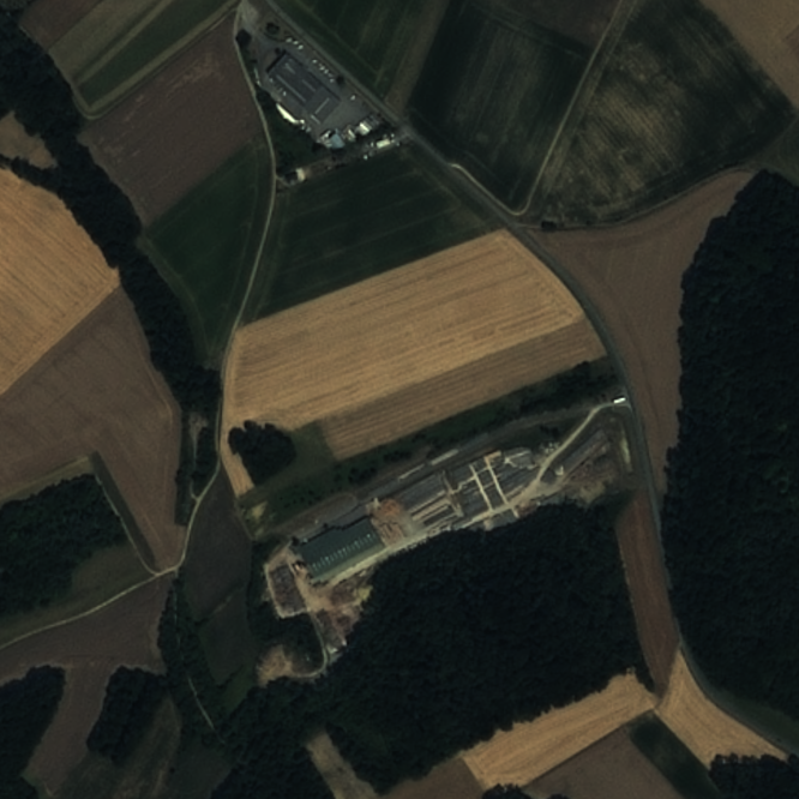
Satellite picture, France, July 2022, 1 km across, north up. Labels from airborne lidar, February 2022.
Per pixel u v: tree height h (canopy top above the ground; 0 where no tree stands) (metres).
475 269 0
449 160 0
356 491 0
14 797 10
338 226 0
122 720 11
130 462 0
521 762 0
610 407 0
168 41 0
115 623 0
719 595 16
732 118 0
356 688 17
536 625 29
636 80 0
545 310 0
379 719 15
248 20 0
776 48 0
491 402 0
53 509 16
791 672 22
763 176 13
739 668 24
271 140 0
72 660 0
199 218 0
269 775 20
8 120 0
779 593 19
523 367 0
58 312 0
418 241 0
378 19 0
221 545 0
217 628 0
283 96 0
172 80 0
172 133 0
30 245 0
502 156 0
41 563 17
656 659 0
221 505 0
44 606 13
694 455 25
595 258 0
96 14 0
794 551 22
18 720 22
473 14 0
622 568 25
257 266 0
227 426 0
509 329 0
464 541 16
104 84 0
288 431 0
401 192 0
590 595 7
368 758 16
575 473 0
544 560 26
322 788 14
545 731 0
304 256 0
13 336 0
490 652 30
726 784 26
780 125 0
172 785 0
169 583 0
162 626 8
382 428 0
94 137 0
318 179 0
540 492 0
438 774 0
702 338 9
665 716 0
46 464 0
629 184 0
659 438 0
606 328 0
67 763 0
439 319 0
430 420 0
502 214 0
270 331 0
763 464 23
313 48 0
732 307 21
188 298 0
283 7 0
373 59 0
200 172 0
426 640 11
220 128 0
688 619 27
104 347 0
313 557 0
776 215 14
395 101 0
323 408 0
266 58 0
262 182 0
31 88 32
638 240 0
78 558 14
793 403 21
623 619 25
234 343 0
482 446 0
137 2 0
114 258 26
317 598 0
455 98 0
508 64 0
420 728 24
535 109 0
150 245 0
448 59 0
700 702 0
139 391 0
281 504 0
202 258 0
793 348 26
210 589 0
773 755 0
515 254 0
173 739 0
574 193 0
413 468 0
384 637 15
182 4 0
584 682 22
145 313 9
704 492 20
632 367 0
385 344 0
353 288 0
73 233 0
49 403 0
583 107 0
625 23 0
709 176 0
